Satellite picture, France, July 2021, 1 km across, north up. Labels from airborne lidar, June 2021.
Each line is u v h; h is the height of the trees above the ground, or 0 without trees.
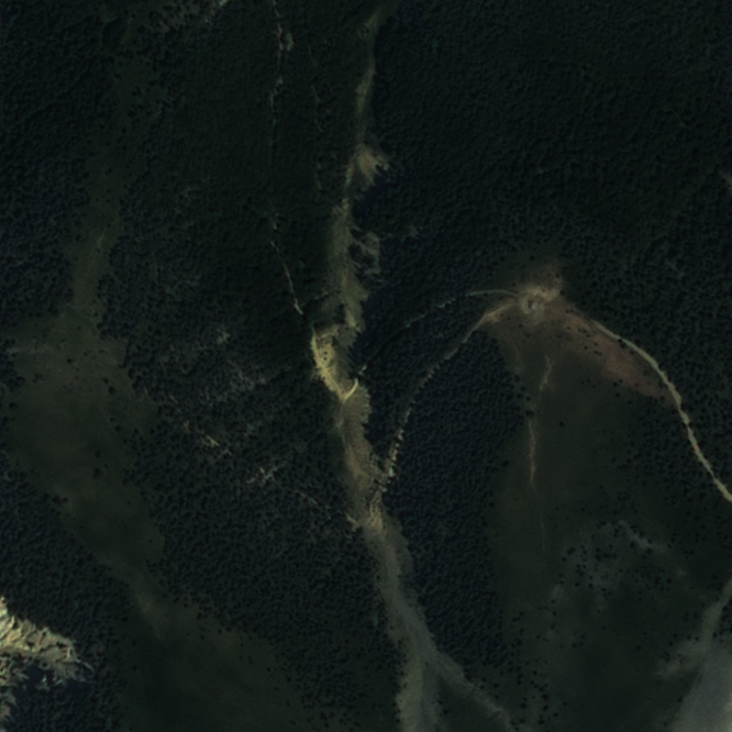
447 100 17
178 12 10
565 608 0
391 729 0
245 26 16
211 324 11
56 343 0
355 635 7
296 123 17
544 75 10
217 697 0
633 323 10
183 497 8
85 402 0
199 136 15
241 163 19
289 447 7
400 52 17
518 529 0
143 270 18
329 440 8
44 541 13
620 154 17
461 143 18
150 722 0
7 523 11
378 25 0
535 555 0
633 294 16
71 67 13
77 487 0
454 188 11
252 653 0
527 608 0
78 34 13
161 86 8
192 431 10
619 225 9
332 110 19
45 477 0
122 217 7
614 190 13
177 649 0
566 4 15
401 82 19
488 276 13
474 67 16
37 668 0
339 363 0
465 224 17
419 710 0
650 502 0
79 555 11
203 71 16
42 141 18
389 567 0
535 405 0
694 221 12
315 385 9
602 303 7
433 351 13
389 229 13
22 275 13
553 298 0
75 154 10
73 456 0
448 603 6
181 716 0
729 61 13
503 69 14
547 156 11
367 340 16
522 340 0
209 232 16
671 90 10
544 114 10
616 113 12
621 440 0
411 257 18
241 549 17
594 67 9
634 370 0
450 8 15
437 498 12
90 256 0
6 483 10
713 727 0
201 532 7
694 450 13
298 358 13
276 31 11
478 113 12
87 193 7
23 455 0
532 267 0
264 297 15
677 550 0
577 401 0
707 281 10
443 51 13
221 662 0
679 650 0
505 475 0
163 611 0
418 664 0
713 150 15
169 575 7
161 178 11
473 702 0
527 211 15
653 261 17
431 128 19
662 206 15
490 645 9
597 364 0
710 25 14
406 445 10
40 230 13
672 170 18
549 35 11
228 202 18
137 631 0
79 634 10
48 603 13
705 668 0
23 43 10
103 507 0
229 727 0
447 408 12
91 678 8
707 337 14
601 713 0
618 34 17
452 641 11
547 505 0
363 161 0
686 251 11
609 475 0
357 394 0
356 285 0
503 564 0
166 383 11
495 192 12
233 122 15
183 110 21
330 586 16
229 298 12
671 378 8
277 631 7
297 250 21
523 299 0
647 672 0
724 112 12
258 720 0
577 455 0
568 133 15
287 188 21
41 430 0
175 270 13
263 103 15
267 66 15
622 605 0
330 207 12
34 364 0
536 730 0
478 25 13
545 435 0
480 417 11
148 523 0
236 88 16
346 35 19
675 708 0
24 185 11
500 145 14
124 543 0
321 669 12
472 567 7
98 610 14
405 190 14
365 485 0
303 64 15
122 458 0
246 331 9
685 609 0
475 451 8
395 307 20
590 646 0
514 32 16
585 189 9
